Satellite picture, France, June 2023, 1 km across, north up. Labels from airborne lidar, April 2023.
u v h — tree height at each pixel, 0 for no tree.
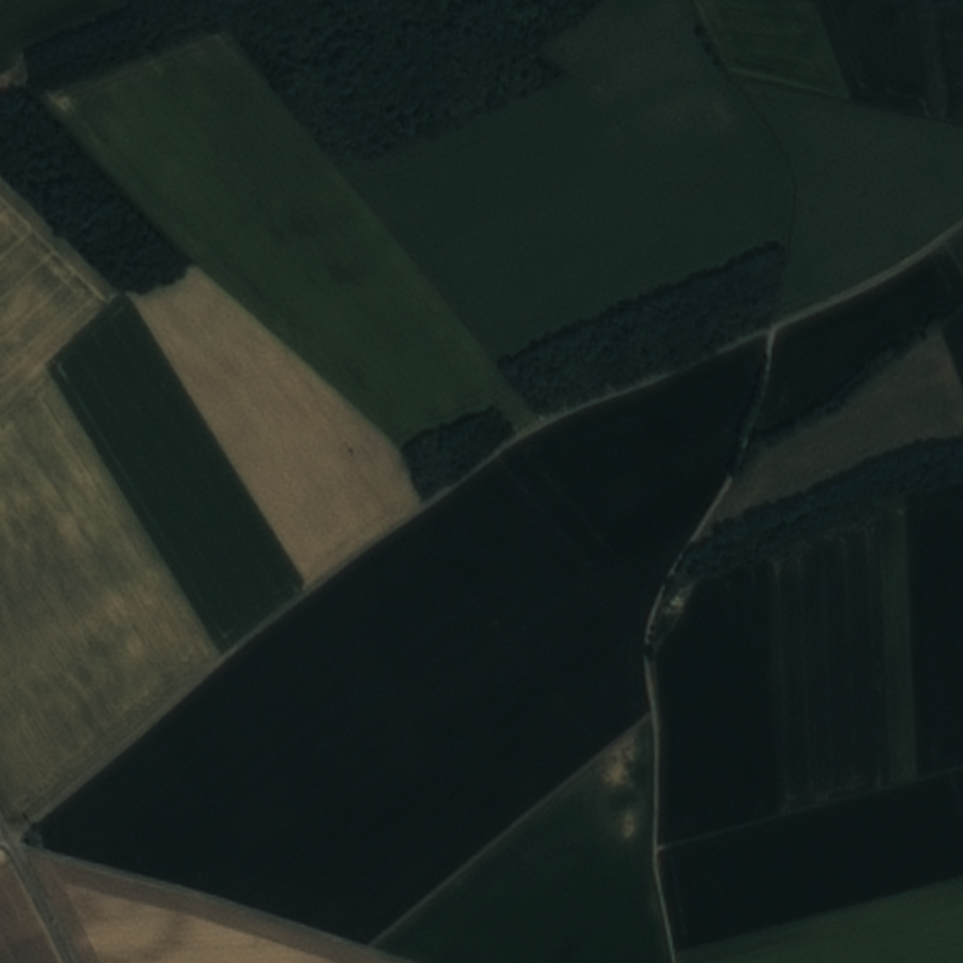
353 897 0
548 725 0
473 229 0
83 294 0
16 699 0
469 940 0
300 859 0
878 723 0
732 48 0
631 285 0
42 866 0
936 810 0
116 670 0
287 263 0
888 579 0
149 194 0
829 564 0
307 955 0
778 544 13
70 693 0
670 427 0
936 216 0
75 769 0
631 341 18
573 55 0
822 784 0
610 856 0
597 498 0
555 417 0
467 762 0
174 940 0
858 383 10
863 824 0
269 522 0
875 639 0
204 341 0
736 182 0
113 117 0
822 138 0
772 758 0
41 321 0
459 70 16
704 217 0
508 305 0
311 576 0
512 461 0
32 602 0
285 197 0
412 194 0
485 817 0
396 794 0
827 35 0
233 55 0
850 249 0
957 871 0
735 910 0
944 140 0
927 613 0
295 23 19
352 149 16
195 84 0
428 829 0
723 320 16
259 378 0
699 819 0
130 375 0
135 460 0
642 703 0
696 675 0
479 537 0
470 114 12
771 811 0
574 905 0
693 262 0
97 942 0
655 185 0
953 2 0
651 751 0
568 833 0
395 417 0
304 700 0
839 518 13
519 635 0
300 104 15
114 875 0
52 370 0
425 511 0
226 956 0
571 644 0
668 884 0
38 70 13
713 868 0
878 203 0
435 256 0
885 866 0
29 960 0
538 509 0
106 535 0
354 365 0
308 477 0
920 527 0
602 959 0
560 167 0
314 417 0
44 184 10
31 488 0
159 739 0
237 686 0
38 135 21
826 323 0
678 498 0
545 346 12
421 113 19
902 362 0
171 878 0
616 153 0
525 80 12
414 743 0
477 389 0
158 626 0
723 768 0
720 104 0
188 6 21
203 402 0
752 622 0
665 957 0
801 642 0
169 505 0
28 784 0
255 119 0
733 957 0
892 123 0
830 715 0
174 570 0
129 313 0
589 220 0
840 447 0
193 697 0
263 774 0
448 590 0
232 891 0
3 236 0
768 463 0
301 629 0
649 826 0
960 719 0
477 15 18
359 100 18
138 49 13
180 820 0
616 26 0
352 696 0
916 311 0
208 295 0
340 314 0
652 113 0
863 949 0
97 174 13
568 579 0
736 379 0
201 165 0
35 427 0
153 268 16
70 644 0
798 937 0
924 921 0
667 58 0
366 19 12
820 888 0
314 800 0
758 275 15
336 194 0
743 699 0
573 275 0
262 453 0
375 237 0
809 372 0
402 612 0
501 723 0
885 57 0
